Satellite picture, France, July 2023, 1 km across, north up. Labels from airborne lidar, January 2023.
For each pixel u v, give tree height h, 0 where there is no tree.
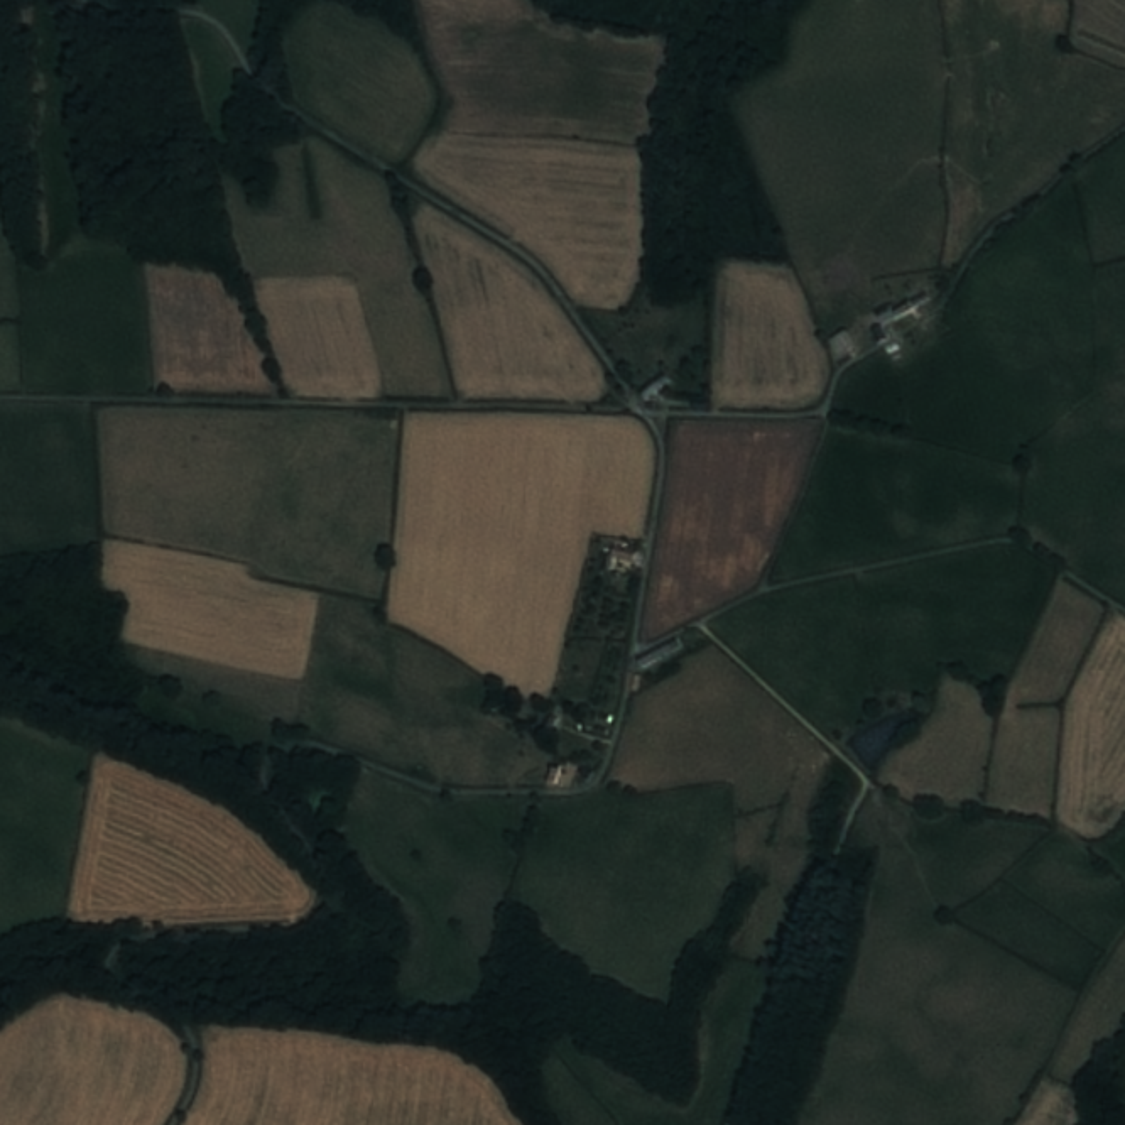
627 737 0
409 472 0
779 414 0
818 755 0
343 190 0
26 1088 0
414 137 0
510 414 0
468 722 0
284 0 14
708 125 10
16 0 30
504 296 0
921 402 0
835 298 0
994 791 0
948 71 0
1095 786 0
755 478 0
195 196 31
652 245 17
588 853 0
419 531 0
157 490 0
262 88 13
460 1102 0
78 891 0
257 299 12
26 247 22
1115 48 0
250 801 25
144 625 0
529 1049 11
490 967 18
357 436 0
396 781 0
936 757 0
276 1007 26
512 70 0
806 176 0
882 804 0
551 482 0
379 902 18
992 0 0
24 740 0
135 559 0
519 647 0
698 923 0
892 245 0
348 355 0
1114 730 0
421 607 0
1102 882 0
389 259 0
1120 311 0
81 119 28
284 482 0
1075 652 0
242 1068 0
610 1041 20
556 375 0
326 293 0
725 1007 0
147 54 25
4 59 23
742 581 0
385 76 0
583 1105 0
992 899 0
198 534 0
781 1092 23
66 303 0
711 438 0
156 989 19
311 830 23
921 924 0
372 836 0
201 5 13
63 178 0
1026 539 14
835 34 0
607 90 0
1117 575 0
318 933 14
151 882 0
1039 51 0
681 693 0
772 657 0
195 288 0
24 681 30
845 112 0
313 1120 0
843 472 0
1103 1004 0
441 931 0
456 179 0
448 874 0
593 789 0
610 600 7
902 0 0
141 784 0
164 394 13
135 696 8
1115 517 0
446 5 0
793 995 22
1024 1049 0
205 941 19
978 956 0
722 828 0
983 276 0
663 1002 8
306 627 0
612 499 0
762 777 0
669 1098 19
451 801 12
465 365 0
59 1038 0
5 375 0
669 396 9
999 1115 0
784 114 0
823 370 0
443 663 0
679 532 0
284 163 0
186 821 0
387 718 0
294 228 0
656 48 0
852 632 0
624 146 0
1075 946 0
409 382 0
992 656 0
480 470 0
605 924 0
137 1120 0
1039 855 0
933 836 0
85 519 0
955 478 0
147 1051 0
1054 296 0
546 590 0
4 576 18
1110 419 0
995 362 0
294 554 0
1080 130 0
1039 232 0
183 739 25
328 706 0
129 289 0
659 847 0
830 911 28
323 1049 0
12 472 0
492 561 0
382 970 19
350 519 0
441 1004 0
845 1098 0
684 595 0
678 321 0
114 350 0
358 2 20
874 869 11
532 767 0
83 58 24
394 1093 0
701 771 0
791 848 0
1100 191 0
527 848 9
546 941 11
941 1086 0
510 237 0
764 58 13
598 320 0
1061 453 0
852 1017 0
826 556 0
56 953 23
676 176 25
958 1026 0
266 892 0
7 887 0
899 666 0
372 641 0
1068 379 0
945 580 0
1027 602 0
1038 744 0
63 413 0
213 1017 20
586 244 0
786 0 21
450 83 0
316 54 0
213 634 0
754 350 0
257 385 0
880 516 0
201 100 17
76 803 0
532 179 0
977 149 0
